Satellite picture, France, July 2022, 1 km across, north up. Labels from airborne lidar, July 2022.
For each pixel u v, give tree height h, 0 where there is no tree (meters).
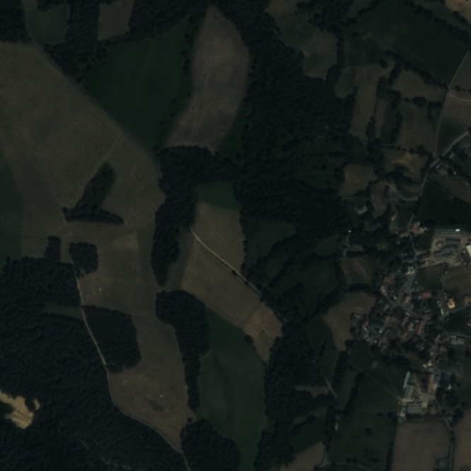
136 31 17
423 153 16
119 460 14
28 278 16
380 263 0
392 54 15
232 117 0
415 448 0
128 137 0
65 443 15
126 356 9
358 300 0
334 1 15
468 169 0
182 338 18
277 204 16
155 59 0
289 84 22
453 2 0
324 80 18
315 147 0
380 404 0
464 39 24
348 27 10
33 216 0
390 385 0
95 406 18
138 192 0
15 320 18
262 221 18
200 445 17
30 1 0
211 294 0
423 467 0
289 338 18
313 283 0
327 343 8
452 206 0
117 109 0
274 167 24
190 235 0
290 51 24
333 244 0
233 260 0
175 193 13
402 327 7
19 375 16
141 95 0
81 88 0
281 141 0
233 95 0
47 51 9
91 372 17
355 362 0
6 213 0
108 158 0
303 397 27
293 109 16
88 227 0
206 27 0
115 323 12
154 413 0
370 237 25
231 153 0
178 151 17
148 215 0
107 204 0
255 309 0
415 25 0
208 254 0
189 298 21
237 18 20
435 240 0
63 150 0
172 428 0
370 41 0
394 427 6
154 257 17
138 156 0
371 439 0
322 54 0
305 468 0
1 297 17
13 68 0
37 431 22
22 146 0
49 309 0
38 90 0
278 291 0
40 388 19
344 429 0
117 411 13
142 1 18
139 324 0
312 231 25
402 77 0
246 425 0
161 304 19
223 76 0
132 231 0
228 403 0
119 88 0
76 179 0
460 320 0
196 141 0
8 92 0
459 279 0
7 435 18
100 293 0
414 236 7
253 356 0
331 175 0
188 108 0
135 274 0
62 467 23
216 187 0
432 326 11
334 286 0
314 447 0
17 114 0
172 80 0
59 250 16
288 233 0
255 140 22
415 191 0
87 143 0
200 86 0
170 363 0
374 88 0
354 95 9
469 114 0
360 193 11
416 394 0
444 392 7
